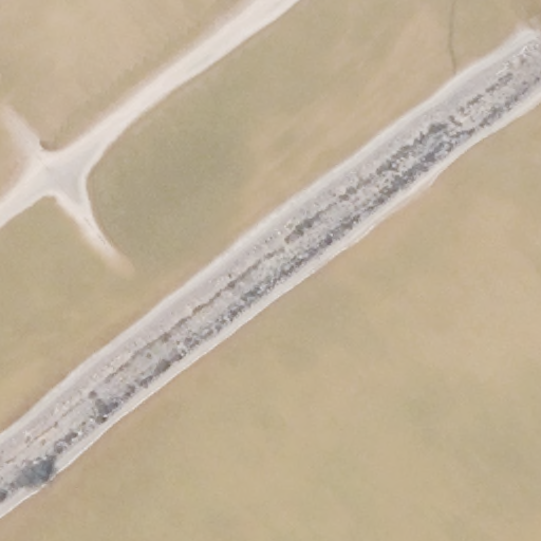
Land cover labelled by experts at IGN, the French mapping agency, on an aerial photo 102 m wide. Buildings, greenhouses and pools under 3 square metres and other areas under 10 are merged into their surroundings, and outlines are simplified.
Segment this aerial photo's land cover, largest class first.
<instances>
[{"label":"water","instance_id":"1","mask_svg":"<svg viewBox=\"0 0 541 541\"><path fill-rule=\"evenodd\" d=\"M241 0H0V104L11 106L21 118H25L30 129L38 135L42 150H61L74 139H78L82 133H87L106 112L114 110L123 97H129L139 85L154 78V74L169 66L182 51H190L194 42L201 40V36L211 25H216V21L222 15L235 8ZM528 27L541 32V0H298L281 17H277L275 21L245 38L239 46H235L205 72L186 80L169 95H165L158 104H154L150 110H146L139 118H135L116 137V142L108 146L104 156L91 169L87 178V192L95 222L99 230L106 235V239L125 258L131 260V275L123 277L116 271H112L99 258V254L87 243L74 218H70L53 197H42L0 228V433L8 429L13 423H17L23 414H27L53 387H57L87 357H91L108 342H112L120 332L133 325L137 319H142L150 309H154L165 296L175 292L201 268H205L211 260H216L222 251H226L243 232L256 226L262 218L275 211L279 205H283L287 199L304 190L325 171L349 158L393 120L404 116L408 110L425 101L427 97H431L459 70L499 49L516 30ZM38 495L23 501L4 518H0V541H541V101L526 114L511 120L501 131L471 146L448 169H444L431 186L421 190L402 209L393 211L383 222H378L374 230H370L361 241L332 258L328 264H323L294 290L277 298L271 306L258 313L251 321L239 328L213 351L203 355L199 361H194L190 368H186L182 374L169 380L161 391H156L152 397L139 404L133 412L123 416L70 467H66L63 471L55 469L49 482L36 486ZM13 144L8 131L0 123V199L19 182V175L11 169Z\"/></svg>","mask_w":541,"mask_h":541},{"label":"pervious surface","instance_id":"2","mask_svg":"<svg viewBox=\"0 0 541 541\"><path fill-rule=\"evenodd\" d=\"M298 0H241L235 8L222 15L216 21V25H211L201 36V40L194 42L190 51H182L169 66L154 74V78L139 85L129 97H123L114 110L106 112L87 133H82L78 139H74L61 150H42L38 135L30 129L25 118H21L11 106L0 104V123L8 131L13 144L11 169L19 175V182L0 199V228L42 197H53L70 218H74L87 243L99 254V258L112 271H116L123 277L131 275V260L125 258L106 239V235L99 230L95 222L87 192V178L91 169L104 156L108 146L116 142V137L135 118H139L146 110H150L154 104H158L165 95H169L186 80L205 72L235 46H239L245 38L275 21L277 17H281ZM541 70V32L528 27L516 30L499 49L459 70L431 97H427L425 101L408 110L404 116L393 120L349 158L325 171L304 190L287 199L283 205H279L275 211L262 218L256 226L243 232L226 251H222L216 260H211L205 268H201L175 292L165 296L154 309H150L142 319H137L133 325L120 332L112 342H108L91 357H87L57 387H53L27 414H23L17 423H13L8 429L0 433V488L13 482L27 465H38L40 461H44L46 454H51L55 442L70 431L76 433V440L72 442L70 450H66L57 459L55 469L63 471L66 467H70L123 416L133 412L139 404L152 397L156 391H161L169 380L182 374L186 368H190L194 361H199L203 355L213 351L239 328L251 321L258 313L271 306L277 298L294 290L323 264H328L332 258L361 241L370 230H374L378 222H383L393 211L402 209L421 190L431 186L444 169H448L471 146L501 131L511 120L526 114L541 101V85L535 91H530L522 101H518L509 112L499 116L492 125L461 142V146H456L450 154L433 163L429 171L421 173L410 186L393 194L374 213L355 224L342 239L332 243L304 266H300L292 277L283 279L266 296L258 298L220 334L199 344L182 361L173 363L165 374H158L154 368L171 353L184 349V340L192 336V332H199L201 325H207L222 311L237 304L245 292L258 285V281L266 279L277 268L287 264L300 249H309L315 243H319L328 235V230L338 226L342 218L349 216L357 205H363L368 199H374L383 188L391 186L393 171H387L376 182L353 194L349 201H340V194L347 188L355 186L357 180H363L370 173H374L402 146L412 144L427 129L431 133H442L446 125L442 123L448 116H454L459 123H463L465 129L480 125V120L490 112L492 106L503 104L526 78H533ZM317 211L321 213V222L313 224V228H309L302 237L287 243L285 235H290L302 220L311 218ZM146 374L152 380L148 387L137 391L127 404L114 410L106 423L95 421L97 408L89 397L91 391H97L99 399L110 402L118 393H125L127 385H131L135 378H144ZM38 495L36 486L19 488L15 495L0 503V518H4L23 501Z\"/></svg>","mask_w":541,"mask_h":541},{"label":"brushwood","instance_id":"3","mask_svg":"<svg viewBox=\"0 0 541 541\"><path fill-rule=\"evenodd\" d=\"M541 85V70L533 78H526L503 104L492 106L490 112L480 120V125L465 129L463 123H459L454 116H448L442 123L446 125L442 133H431L427 129L412 144L402 146L374 173H370L363 180H357L355 186L347 188L340 194V201H349L353 194L376 182L387 171H393L391 186L383 188L374 199H368L363 205H357L349 216L342 218L338 226L328 230V235L319 243H315L309 249H300L287 264L277 268L266 279L258 281V285L245 292L237 304L222 311L207 325H201L199 332H192V336L184 340V349L171 353L154 368L158 374H165L173 363L182 361L199 344L220 334L258 298L266 296L283 279L292 277L300 266H304L332 243L342 239L355 224L374 213L393 194L410 186L421 173L429 171L433 163L450 154L456 146H461V142L492 125L499 116L509 112L518 101H522L530 91H535ZM321 222V213L317 211L311 218L302 220L290 235H285L287 243L302 237L309 228H313V224ZM152 380L146 374L144 378H135L131 385H127L125 393H118L110 402L99 399L97 391H91L89 397L97 408L95 421L106 423L114 410L127 404L137 391L148 387ZM76 440V433L70 431L55 442L51 454H46L44 461H40L38 465H27L13 482L0 488V503L15 495L19 488L36 486L49 482L55 469L57 459L66 450H70L72 442Z\"/></svg>","mask_w":541,"mask_h":541}]
</instances>
